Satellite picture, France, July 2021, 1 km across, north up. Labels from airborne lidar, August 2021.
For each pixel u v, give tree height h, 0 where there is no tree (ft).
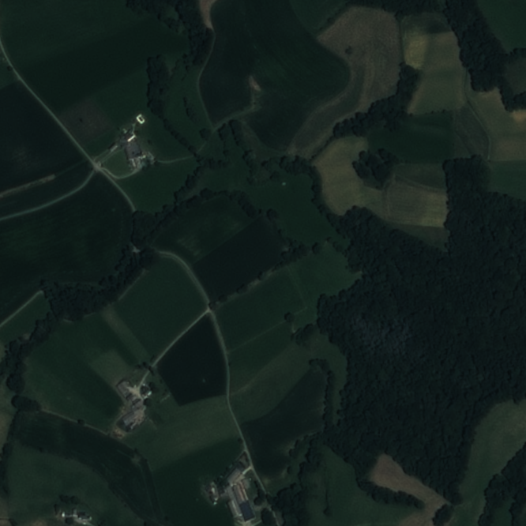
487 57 98
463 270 67
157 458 0
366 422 73
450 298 95
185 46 0
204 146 0
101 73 0
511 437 0
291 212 0
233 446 0
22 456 0
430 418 71
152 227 67
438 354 84
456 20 81
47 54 0
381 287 76
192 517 0
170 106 0
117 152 0
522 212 65
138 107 0
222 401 0
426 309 66
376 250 88
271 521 67
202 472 0
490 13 0
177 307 0
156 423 0
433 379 95
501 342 57
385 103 65
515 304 44
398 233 64
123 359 0
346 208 0
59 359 0
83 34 0
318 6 0
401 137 0
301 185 0
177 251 0
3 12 0
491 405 74
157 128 0
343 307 87
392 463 0
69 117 0
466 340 71
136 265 70
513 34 0
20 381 87
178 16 0
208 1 0
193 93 0
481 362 96
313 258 0
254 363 0
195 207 58
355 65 0
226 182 0
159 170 0
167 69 87
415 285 93
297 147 0
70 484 0
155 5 88
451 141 0
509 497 106
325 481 0
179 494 0
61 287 90
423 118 0
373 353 51
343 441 90
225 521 0
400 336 89
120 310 0
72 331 0
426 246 60
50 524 0
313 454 77
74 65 0
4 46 0
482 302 75
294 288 0
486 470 0
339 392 0
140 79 0
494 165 0
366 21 0
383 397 82
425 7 75
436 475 93
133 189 0
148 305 0
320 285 0
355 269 78
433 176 0
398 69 0
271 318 0
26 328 0
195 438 0
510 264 84
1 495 0
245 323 0
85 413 0
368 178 48
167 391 24
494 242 71
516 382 92
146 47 0
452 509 65
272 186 0
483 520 55
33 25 0
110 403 0
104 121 0
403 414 90
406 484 0
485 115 0
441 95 0
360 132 83
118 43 0
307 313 0
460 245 72
